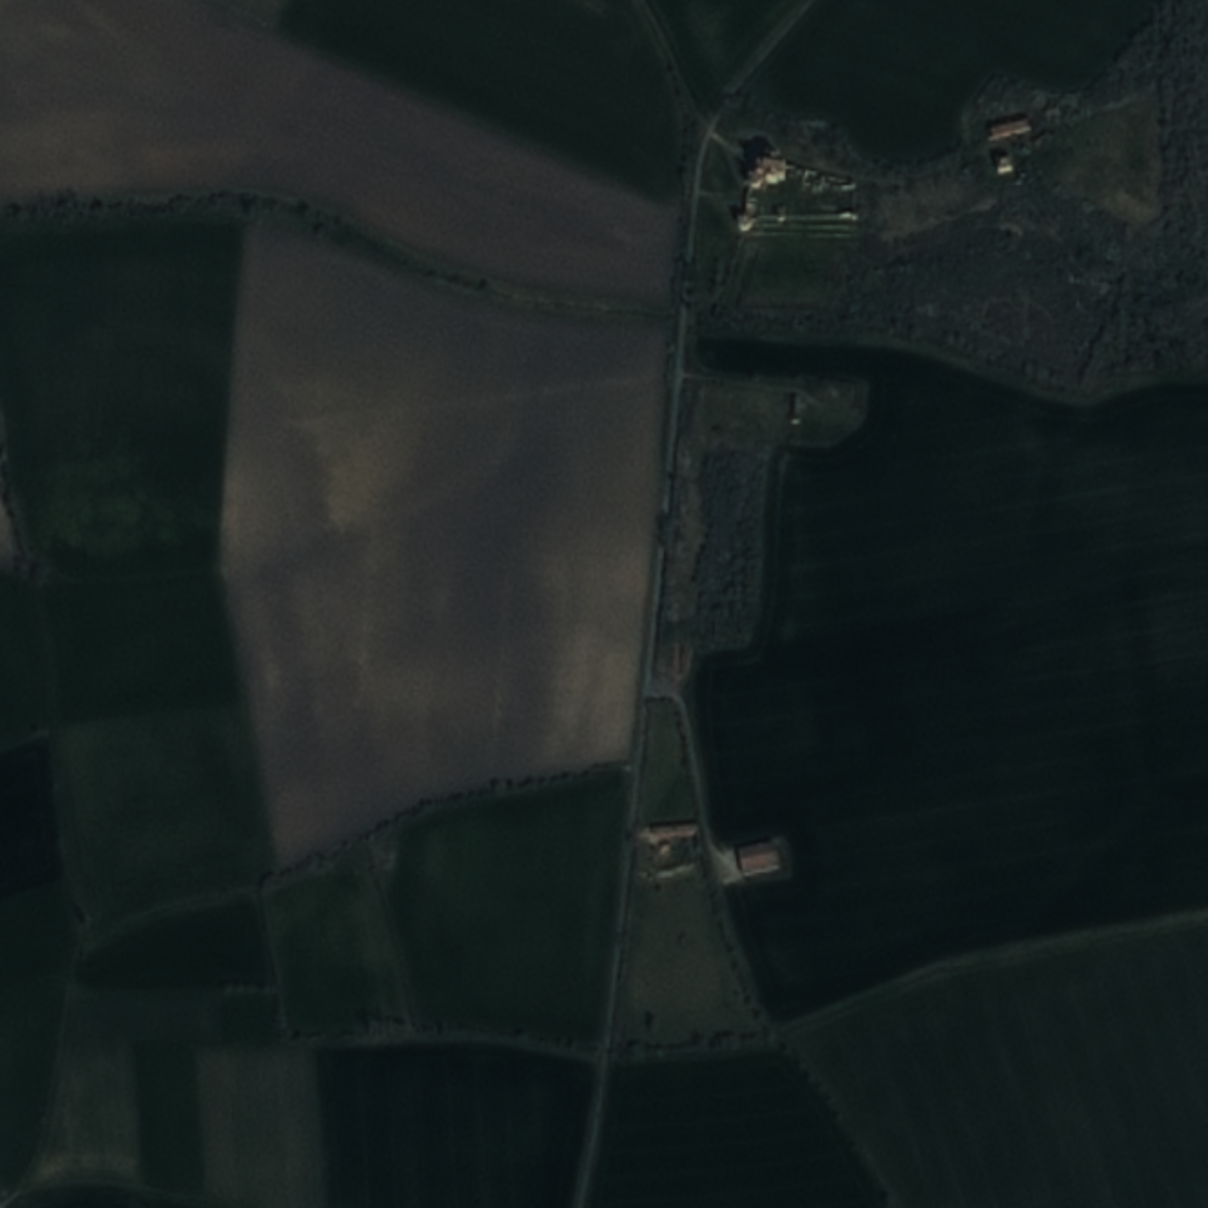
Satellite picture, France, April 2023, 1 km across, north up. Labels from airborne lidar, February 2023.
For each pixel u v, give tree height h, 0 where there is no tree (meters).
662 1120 0
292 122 0
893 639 0
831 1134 0
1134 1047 0
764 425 0
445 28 0
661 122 0
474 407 0
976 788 0
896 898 0
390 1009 0
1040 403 0
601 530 0
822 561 0
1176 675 0
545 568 0
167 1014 0
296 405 0
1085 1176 0
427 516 0
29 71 0
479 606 0
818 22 0
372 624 0
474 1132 0
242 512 0
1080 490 0
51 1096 0
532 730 0
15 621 0
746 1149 0
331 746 0
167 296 0
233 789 0
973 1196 0
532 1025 0
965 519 0
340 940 0
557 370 0
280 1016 8
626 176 0
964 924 0
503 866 0
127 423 0
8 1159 0
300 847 0
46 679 0
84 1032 0
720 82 0
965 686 0
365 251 0
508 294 0
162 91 0
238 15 0
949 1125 0
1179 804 0
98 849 0
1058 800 0
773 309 0
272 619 0
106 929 0
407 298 0
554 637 0
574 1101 0
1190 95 9
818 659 0
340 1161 0
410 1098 0
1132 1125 0
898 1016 0
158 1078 0
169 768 0
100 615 0
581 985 0
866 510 0
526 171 0
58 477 0
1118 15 0
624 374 0
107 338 0
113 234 0
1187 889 0
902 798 0
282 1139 0
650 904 0
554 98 0
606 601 0
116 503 0
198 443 0
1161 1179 0
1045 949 0
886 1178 0
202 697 0
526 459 0
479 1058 0
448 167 0
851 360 0
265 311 0
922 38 0
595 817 0
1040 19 0
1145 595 0
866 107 0
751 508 9
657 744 0
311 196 0
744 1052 0
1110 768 0
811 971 0
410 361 0
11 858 0
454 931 0
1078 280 6
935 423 0
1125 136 0
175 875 0
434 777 0
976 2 0
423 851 0
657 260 0
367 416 0
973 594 0
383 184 0
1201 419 0
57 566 0
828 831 0
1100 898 0
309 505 0
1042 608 0
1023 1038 0
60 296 0
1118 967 0
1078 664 0
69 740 0
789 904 0
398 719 0
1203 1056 0
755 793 0
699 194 0
